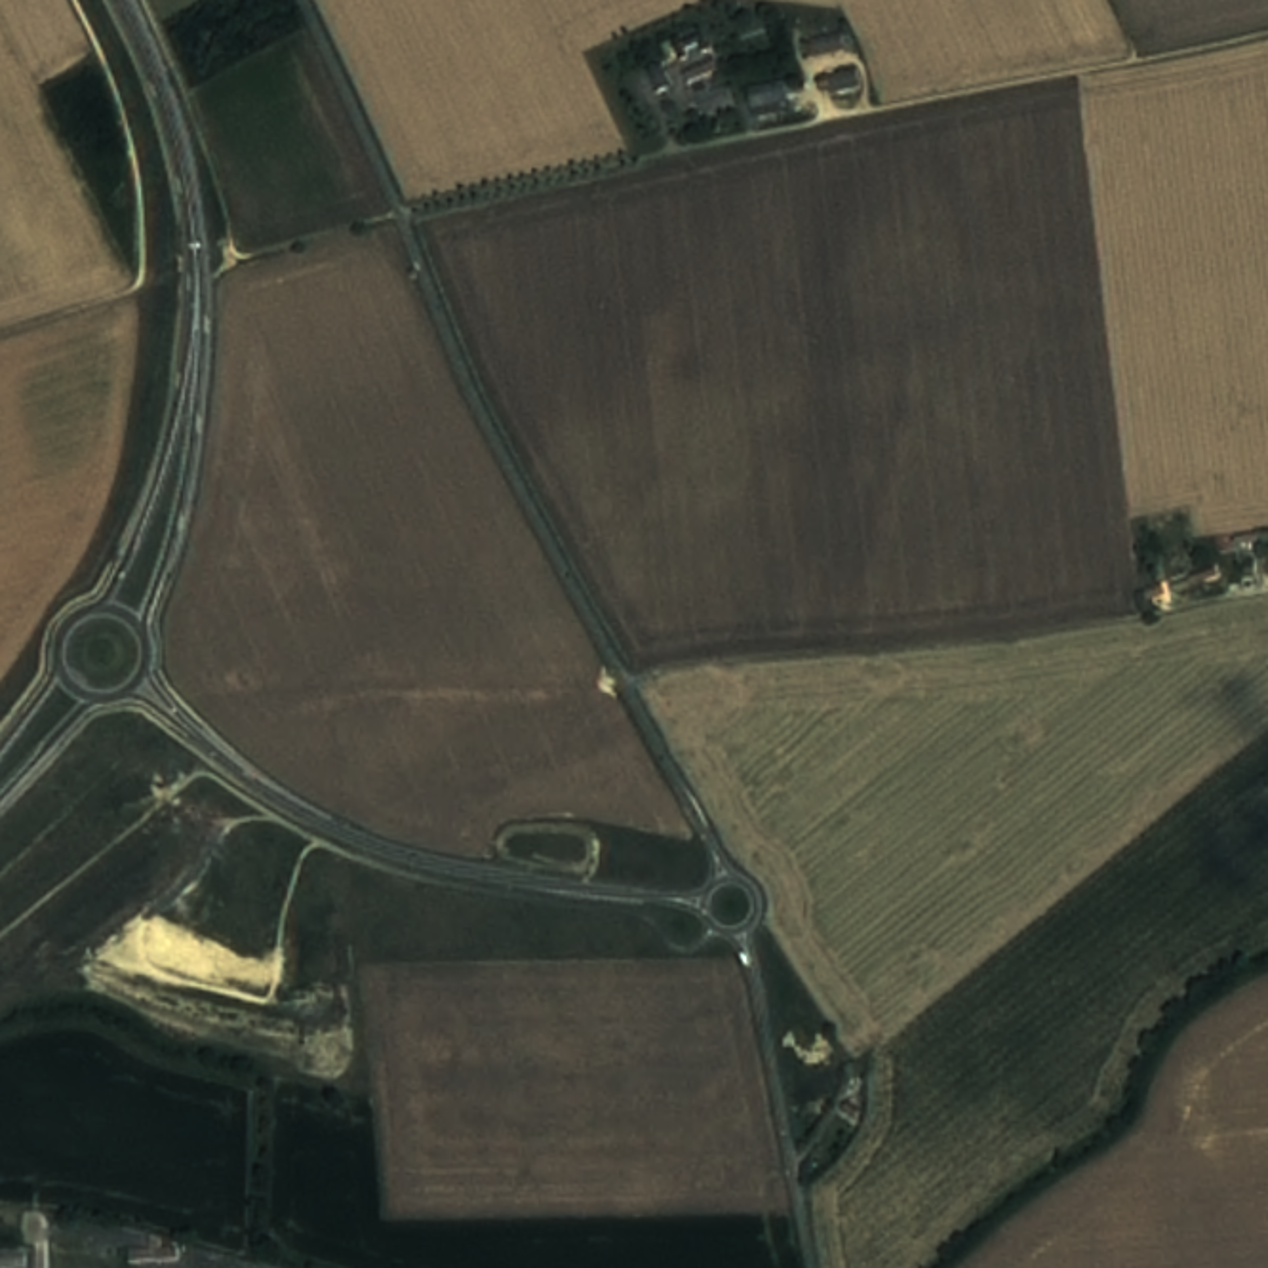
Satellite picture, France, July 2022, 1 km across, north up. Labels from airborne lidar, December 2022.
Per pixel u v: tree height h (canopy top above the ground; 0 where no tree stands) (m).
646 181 0
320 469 0
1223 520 0
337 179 0
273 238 0
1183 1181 0
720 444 0
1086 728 0
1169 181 0
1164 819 0
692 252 0
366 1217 0
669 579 0
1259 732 0
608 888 0
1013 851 0
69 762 0
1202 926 0
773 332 0
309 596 0
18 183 0
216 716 0
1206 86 0
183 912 0
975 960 0
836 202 0
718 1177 0
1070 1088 0
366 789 0
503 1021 0
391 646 0
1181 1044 0
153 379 0
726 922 0
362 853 0
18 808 0
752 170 0
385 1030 0
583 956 0
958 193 0
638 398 0
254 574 0
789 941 0
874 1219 0
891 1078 0
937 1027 0
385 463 0
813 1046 0
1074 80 0
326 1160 0
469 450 0
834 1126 0
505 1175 0
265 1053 0
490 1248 0
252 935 0
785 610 0
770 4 9
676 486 0
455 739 0
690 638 0
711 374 0
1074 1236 0
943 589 0
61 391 0
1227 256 0
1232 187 0
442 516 0
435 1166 0
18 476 0
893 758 0
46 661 0
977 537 0
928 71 0
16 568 0
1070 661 0
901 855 0
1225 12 0
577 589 0
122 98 0
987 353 0
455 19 0
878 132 0
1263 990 0
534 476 0
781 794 0
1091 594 0
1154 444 0
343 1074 0
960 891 0
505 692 0
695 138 14
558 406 0
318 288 0
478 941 0
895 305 0
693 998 0
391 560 0
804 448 0
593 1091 0
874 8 0
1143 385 0
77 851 0
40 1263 0
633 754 0
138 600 0
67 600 0
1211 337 0
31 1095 0
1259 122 0
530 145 0
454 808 0
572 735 0
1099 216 0
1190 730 0
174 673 0
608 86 0
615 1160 0
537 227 0
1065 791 0
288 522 0
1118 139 0
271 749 0
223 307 0
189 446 0
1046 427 0
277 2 13
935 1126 0
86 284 0
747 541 0
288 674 0
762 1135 0
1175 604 0
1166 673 0
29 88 0
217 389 0
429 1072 0
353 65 0
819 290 0
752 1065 0
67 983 0
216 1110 0
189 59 10
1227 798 0
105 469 0
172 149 0
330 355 0
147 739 0
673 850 0
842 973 0
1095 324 0
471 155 0
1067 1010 0
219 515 0
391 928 0
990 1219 7
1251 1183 0
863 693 0
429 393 0
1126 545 0
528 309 0
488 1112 0
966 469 0
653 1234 0
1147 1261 0
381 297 0
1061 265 0
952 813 0
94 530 0
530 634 0
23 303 0
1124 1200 0
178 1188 0
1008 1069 0
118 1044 0
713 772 0
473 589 0
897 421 0
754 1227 0
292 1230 0
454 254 0
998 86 0
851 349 0
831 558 0
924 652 0
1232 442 0
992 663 0
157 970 0
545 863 0
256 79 0
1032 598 0
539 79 0
